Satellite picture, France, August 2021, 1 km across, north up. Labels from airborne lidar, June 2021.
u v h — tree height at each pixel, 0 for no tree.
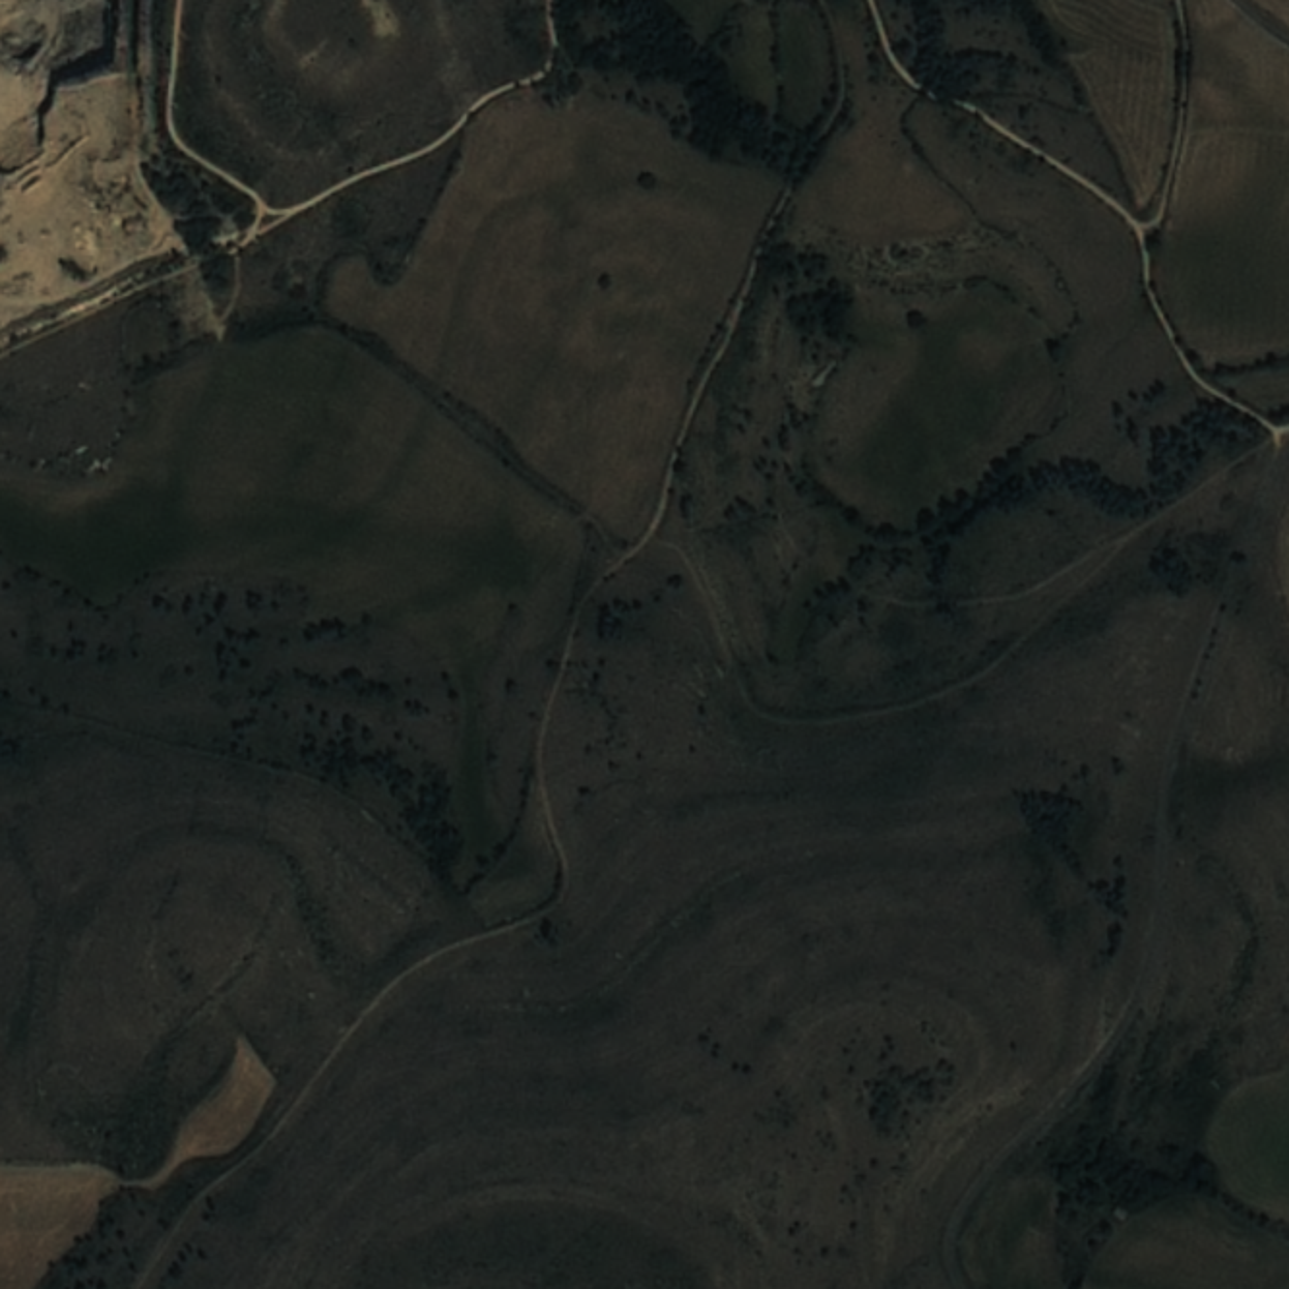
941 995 0
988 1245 0
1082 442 0
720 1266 0
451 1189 0
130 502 0
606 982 0
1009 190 0
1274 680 0
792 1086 0
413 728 0
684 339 0
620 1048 0
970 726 0
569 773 0
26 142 0
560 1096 0
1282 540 0
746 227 0
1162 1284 0
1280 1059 0
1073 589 0
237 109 0
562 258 0
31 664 0
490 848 0
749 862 0
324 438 0
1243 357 0
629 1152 0
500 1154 0
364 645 0
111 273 0
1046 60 6
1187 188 0
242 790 0
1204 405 11
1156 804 0
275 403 0
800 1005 0
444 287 0
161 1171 0
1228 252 0
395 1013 0
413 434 0
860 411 0
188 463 0
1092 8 0
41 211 0
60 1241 0
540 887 0
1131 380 0
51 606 0
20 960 0
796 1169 0
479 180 0
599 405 0
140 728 0
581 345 0
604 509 0
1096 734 0
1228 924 0
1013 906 0
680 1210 0
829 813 0
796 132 5
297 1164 0
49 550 0
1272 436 0
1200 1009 0
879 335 0
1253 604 0
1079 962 0
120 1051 0
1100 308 0
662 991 0
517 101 0
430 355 0
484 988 0
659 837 0
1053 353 11
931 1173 0
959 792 0
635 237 0
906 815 0
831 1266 0
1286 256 0
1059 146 0
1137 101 0
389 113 0
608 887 0
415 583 0
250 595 7
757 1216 0
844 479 0
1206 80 0
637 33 13
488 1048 0
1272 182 0
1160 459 13
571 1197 0
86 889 0
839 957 0
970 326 0
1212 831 0
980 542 0
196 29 0
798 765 0
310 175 0
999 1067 0
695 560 0
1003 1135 0
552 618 0
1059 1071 0
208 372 0
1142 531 0
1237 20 0
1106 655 0
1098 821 0
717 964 0
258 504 0
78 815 0
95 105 0
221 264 7
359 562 0
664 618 0
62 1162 0
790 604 0
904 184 0
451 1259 0
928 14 14
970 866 0
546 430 0
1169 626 0
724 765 0
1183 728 0
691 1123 0
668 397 0
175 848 0
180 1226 0
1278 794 0
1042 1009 0
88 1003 0
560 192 0
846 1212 0
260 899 0
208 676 0
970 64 11
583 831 0
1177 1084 7
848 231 0
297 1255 0
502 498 0
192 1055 0
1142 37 0
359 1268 0
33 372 0
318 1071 0
